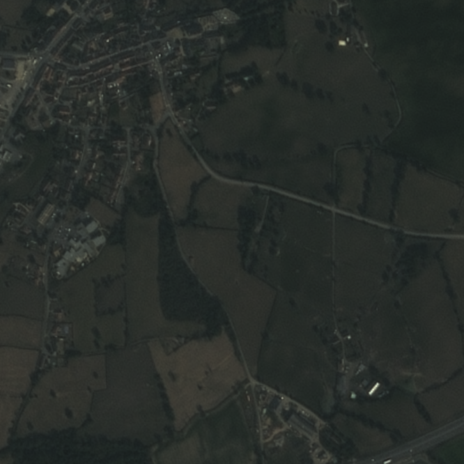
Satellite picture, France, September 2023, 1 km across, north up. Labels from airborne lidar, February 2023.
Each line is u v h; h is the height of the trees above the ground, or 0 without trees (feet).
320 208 23
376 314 0
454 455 0
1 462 0
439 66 0
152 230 0
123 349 0
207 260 0
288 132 0
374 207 0
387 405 0
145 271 0
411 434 0
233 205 0
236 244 0
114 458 38
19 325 0
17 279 0
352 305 0
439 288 0
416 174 0
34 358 0
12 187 0
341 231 0
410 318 0
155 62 0
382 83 0
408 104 0
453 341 0
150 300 0
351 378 0
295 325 0
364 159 0
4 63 0
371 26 0
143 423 0
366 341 0
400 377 0
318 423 0
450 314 0
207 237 0
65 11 23
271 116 0
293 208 0
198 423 0
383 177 0
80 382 0
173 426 0
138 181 0
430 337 0
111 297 0
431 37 0
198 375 0
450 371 0
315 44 0
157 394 0
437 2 0
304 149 0
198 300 25
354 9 31
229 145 0
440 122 0
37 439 52
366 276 0
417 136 0
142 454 32
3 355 0
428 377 0
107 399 0
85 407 0
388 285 0
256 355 0
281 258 0
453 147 0
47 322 0
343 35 0
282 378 0
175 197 0
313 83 0
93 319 0
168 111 0
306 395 0
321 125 0
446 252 0
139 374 0
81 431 0
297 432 0
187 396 0
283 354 0
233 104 0
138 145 0
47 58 0
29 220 0
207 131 0
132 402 0
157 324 0
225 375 0
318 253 0
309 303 0
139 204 0
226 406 0
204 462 0
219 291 0
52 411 0
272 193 20
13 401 0
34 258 28
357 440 0
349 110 0
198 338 50
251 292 0
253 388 0
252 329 0
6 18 0
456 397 0
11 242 0
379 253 0
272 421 0
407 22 0
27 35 0
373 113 0
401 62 0
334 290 0
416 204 0
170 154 0
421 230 0
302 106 0
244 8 43
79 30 18
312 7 0
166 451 0
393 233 39
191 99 27
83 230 0
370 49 0
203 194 0
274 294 0
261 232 26
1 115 0
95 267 0
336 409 44
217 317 56
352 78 0
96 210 0
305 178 0
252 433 0
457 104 0
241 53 0
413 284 0
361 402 44
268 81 0
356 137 0
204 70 26
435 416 0
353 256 0
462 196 0
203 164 0
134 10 21
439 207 0
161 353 0
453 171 0
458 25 0
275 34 0
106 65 0
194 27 0
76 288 0
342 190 0
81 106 0
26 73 0
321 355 0
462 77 0
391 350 0
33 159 0
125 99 0
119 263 0
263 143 0
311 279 0
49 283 0
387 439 0
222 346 0
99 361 0
